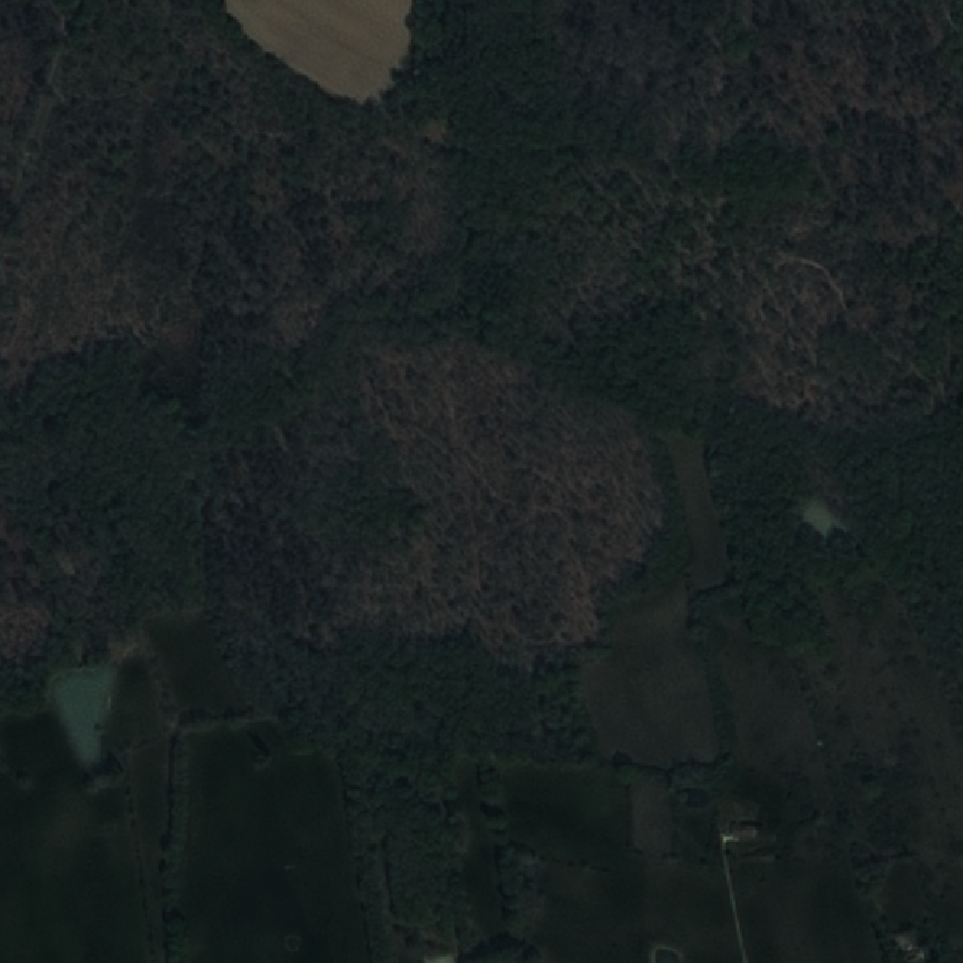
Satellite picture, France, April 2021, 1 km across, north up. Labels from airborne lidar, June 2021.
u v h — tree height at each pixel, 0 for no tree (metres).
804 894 0
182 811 20
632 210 16
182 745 13
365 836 20
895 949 6
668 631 0
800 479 21
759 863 0
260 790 0
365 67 0
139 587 22
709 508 0
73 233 10
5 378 14
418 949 19
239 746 0
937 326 19
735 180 21
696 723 0
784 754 0
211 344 18
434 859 23
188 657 0
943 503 25
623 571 11
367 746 21
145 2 11
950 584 20
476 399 5
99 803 0
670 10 16
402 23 0
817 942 0
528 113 13
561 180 17
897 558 24
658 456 16
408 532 17
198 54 7
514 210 20
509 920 15
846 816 7
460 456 13
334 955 0
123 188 18
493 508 17
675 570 10
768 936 0
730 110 12
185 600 20
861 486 19
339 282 12
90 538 15
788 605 23
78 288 0
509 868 22
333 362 22
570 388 22
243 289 15
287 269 11
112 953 0
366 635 13
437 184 14
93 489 23
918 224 15
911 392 19
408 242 13
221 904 0
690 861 0
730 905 0
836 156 12
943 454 20
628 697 0
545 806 0
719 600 6
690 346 21
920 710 0
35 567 22
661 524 16
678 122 10
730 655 0
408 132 21
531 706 18
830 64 10
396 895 20
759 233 10
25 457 21
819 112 6
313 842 0
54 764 0
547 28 22
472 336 15
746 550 19
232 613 18
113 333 14
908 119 9
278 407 18
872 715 0
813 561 21
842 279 10
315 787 0
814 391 9
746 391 14
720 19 14
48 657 17
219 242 17
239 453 18
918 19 23
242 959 0
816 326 10
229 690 0
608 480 8
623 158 17
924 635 11
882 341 12
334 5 0
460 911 22
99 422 23
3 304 15
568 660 9
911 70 19
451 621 10
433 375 11
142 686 0
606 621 15
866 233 14
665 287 18
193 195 13
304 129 14
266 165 18
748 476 20
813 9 17
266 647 18
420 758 22
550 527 13
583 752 6
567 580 13
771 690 0
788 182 19
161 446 21
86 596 14
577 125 17
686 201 13
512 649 14
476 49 26
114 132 15
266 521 23
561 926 0
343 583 10
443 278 19
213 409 22
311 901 0
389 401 12
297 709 23
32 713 20
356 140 14
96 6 13
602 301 16
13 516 7
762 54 8
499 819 22
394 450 19
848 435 14
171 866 10
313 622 15
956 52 13
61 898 0
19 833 0
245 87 10
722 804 0
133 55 12
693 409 29
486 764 20
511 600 11
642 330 25
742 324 14
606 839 0
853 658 0
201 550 25
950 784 0
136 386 21
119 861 0
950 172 22
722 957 0
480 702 25
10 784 0
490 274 20
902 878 0
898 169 21
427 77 21
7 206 21
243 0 0
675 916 0
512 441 11
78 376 24
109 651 22
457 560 12
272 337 15
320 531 17
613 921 0
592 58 16
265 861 0
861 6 26
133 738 0
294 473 27
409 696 24
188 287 8
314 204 22
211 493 11
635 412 23
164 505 25
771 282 14
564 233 20
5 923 0
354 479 11
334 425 18
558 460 13
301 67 0
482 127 22
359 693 25
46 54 17
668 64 12
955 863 0
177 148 0
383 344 19
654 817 0
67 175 18
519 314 22
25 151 13
